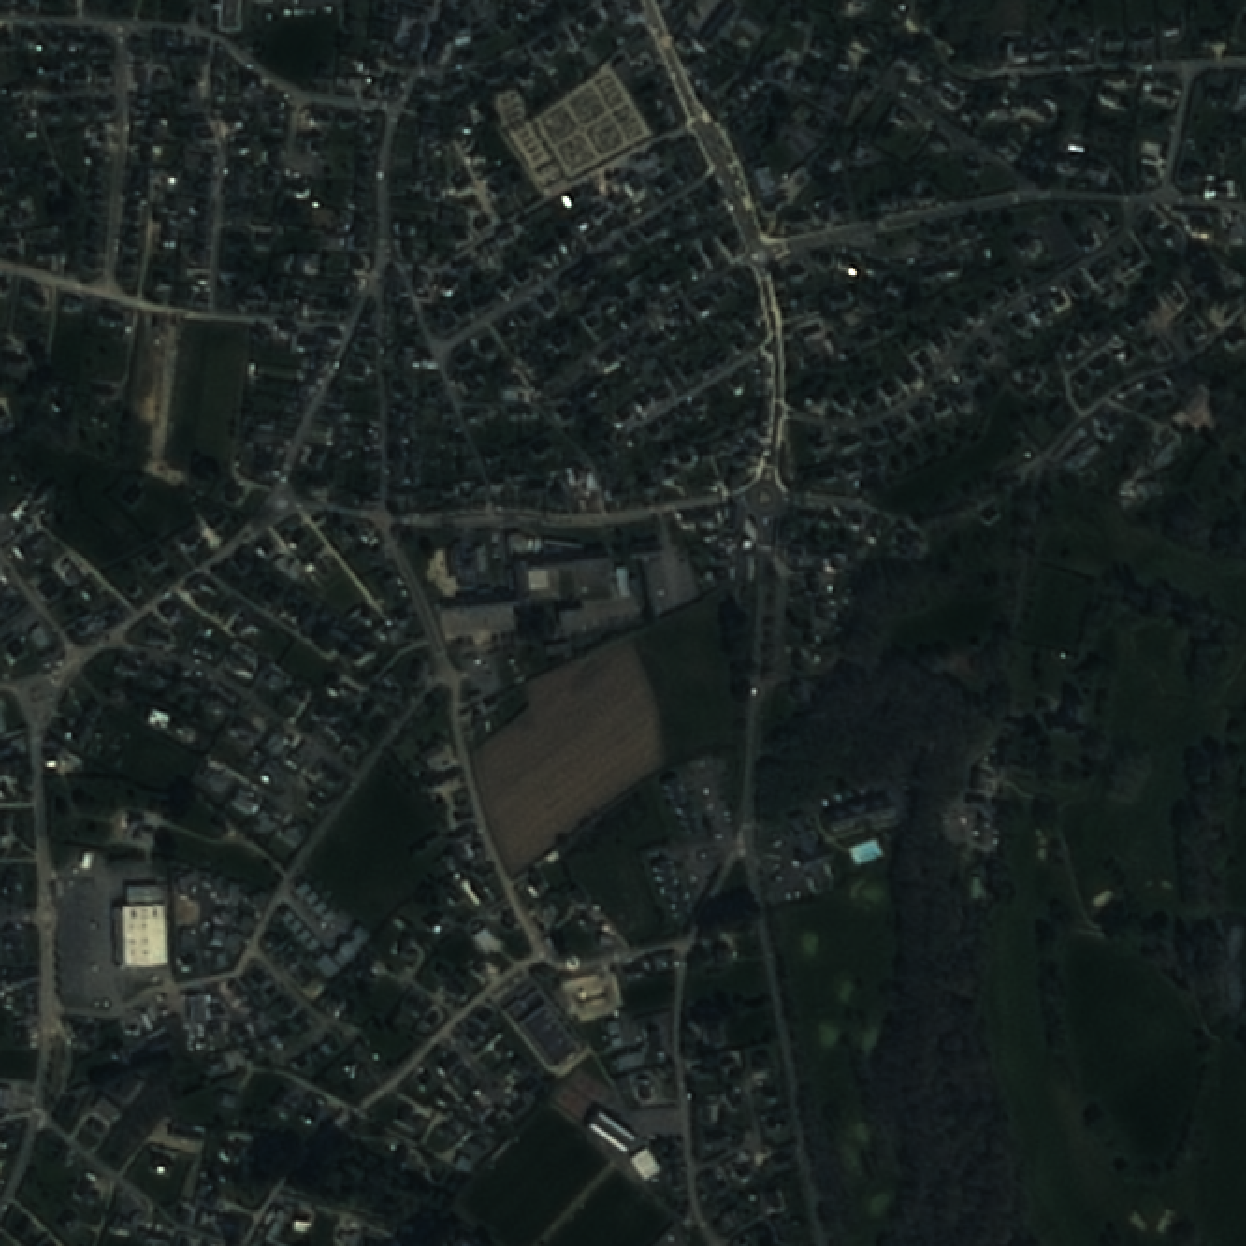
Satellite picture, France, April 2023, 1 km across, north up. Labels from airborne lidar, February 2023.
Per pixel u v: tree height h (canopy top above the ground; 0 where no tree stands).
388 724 9
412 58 6
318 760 0
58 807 9
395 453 10
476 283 8
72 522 0
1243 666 0
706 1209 7
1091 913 0
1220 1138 0
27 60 12
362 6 0
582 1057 0
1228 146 0
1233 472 11
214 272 0
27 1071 0
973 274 9
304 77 0
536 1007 0
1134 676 0
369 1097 0
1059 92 14
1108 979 0
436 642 0
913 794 22
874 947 0
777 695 0
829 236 0
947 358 0
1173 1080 0
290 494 0
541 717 0
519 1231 0
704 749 0
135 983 0
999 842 8
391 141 0
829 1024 0
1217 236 0
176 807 14
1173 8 0
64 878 0
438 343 0
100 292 0
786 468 9
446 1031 0
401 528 7
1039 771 11
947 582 20
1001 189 0
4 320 0
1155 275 9
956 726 21
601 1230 0
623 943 0
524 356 6
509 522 7
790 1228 8
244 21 0
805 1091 9
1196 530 23
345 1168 14
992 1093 18
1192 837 22
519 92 6
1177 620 17
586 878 0
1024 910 0
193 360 0
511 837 0
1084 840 0
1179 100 0
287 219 8
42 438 13
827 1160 18
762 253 0
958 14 15
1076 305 7
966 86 6
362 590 0
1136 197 0
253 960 0
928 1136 23
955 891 24
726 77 0
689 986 0
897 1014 15
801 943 0
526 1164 0
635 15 0
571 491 0
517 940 0
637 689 0
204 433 0
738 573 0
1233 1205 0
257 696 0
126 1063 10
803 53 0
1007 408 0
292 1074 0
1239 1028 0
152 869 0
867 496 12
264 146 7
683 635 0
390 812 0
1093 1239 0
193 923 0
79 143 0
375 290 0
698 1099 9
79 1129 0
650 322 0
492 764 0
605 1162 0
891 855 11
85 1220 0
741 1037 0
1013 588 16
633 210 6
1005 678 21
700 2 0
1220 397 20
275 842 0
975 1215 29
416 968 0
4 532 0
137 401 0
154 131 0
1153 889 0
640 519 0
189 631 0
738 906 20
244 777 0
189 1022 0
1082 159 8
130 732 0
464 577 0
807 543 9
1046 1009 15
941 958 24
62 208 12
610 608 0
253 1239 0
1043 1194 0
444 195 0
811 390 6
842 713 18
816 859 0
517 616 9
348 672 7
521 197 0
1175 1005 0
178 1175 0
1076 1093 12
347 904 0
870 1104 21
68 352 0
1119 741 0
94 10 15
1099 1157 0
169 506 0
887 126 7
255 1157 15
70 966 0
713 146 0
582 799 0
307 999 0
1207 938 14
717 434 0
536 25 8
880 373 6
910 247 0
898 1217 15
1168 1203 0
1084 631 8
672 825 0
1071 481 13
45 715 0
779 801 11
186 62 6
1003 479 7
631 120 0
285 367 0
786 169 0
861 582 20
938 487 0
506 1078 0
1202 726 0
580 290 7
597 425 14
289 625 0
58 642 0
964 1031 18
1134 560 0
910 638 0
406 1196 6
